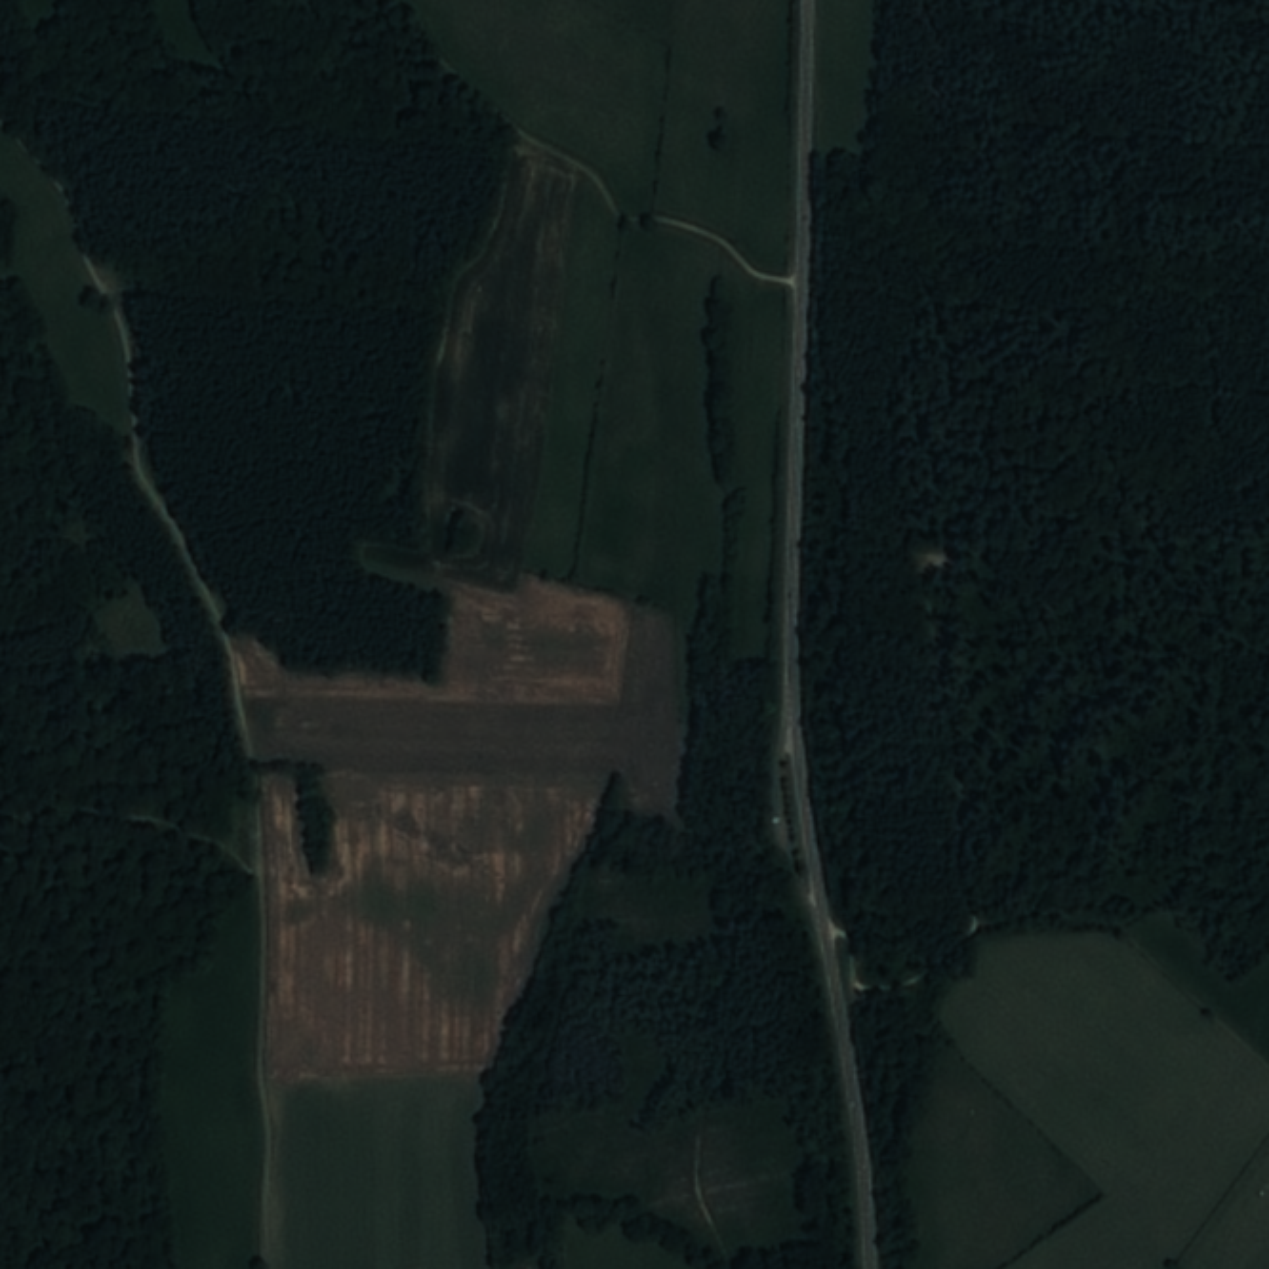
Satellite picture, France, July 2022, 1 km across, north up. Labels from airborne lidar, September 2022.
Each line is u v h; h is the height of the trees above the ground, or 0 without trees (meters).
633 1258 0
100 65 23
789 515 0
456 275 8
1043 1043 0
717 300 10
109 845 21
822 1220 19
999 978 0
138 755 27
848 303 21
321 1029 0
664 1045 20
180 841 24
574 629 0
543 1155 0
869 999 11
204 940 17
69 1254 26
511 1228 8
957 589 31
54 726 31
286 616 23
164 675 27
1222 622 11
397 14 26
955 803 24
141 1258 30
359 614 26
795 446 0
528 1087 9
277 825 0
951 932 26
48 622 13
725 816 17
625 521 0
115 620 0
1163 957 0
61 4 12
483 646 0
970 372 25
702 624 14
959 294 25
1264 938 20
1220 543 23
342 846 0
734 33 0
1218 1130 0
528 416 0
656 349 0
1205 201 26
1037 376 27
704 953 19
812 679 8
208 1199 0
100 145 18
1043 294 22
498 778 0
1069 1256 0
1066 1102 0
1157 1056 0
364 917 0
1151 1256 0
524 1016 16
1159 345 22
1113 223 35
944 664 9
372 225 25
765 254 0
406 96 24
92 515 17
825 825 14
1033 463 25
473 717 0
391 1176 0
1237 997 0
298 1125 0
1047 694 33
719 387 17
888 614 24
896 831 20
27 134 17
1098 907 17
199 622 27
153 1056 13
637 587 0
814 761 8
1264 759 20
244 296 23
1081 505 19
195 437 22
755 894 19
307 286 20
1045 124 26
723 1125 0
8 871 27
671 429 0
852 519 20
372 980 0
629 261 0
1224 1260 0
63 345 0
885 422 23
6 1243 23
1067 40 29
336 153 24
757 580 0
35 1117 28
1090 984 0
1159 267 22
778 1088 27
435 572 0
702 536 0
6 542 18
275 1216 0
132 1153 23
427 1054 0
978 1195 0
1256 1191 0
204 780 29
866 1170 0
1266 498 19
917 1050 21
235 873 12
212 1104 0
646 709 0
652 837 22
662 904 0
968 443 24
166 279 13
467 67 0
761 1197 0
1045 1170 0
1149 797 26
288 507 22
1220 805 24
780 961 20
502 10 0
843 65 0
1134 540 31
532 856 0
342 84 19
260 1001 0
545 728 0
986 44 26
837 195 16
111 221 24
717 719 18
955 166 24
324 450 25
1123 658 26
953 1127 0
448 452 0
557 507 0
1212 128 33
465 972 0
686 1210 0
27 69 26
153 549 20
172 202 21
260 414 23
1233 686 12
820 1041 26
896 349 21
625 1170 0
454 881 0
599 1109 16
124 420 0
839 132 0
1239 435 21
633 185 0
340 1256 0
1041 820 18
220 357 22
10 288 14
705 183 0
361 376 24
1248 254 24
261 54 20
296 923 0
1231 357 19
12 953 21
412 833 0
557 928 10
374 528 23
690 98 0
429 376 6
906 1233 21
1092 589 19
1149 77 27
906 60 24
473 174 26
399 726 0
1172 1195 0
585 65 0
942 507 32
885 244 17
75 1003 28
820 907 0
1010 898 20
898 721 36
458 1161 0
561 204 0
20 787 21
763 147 0
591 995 17
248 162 24
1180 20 36
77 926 16
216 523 25
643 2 0
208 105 18
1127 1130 0
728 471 13
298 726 0
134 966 12
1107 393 22
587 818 0
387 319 23
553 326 0
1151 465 23
